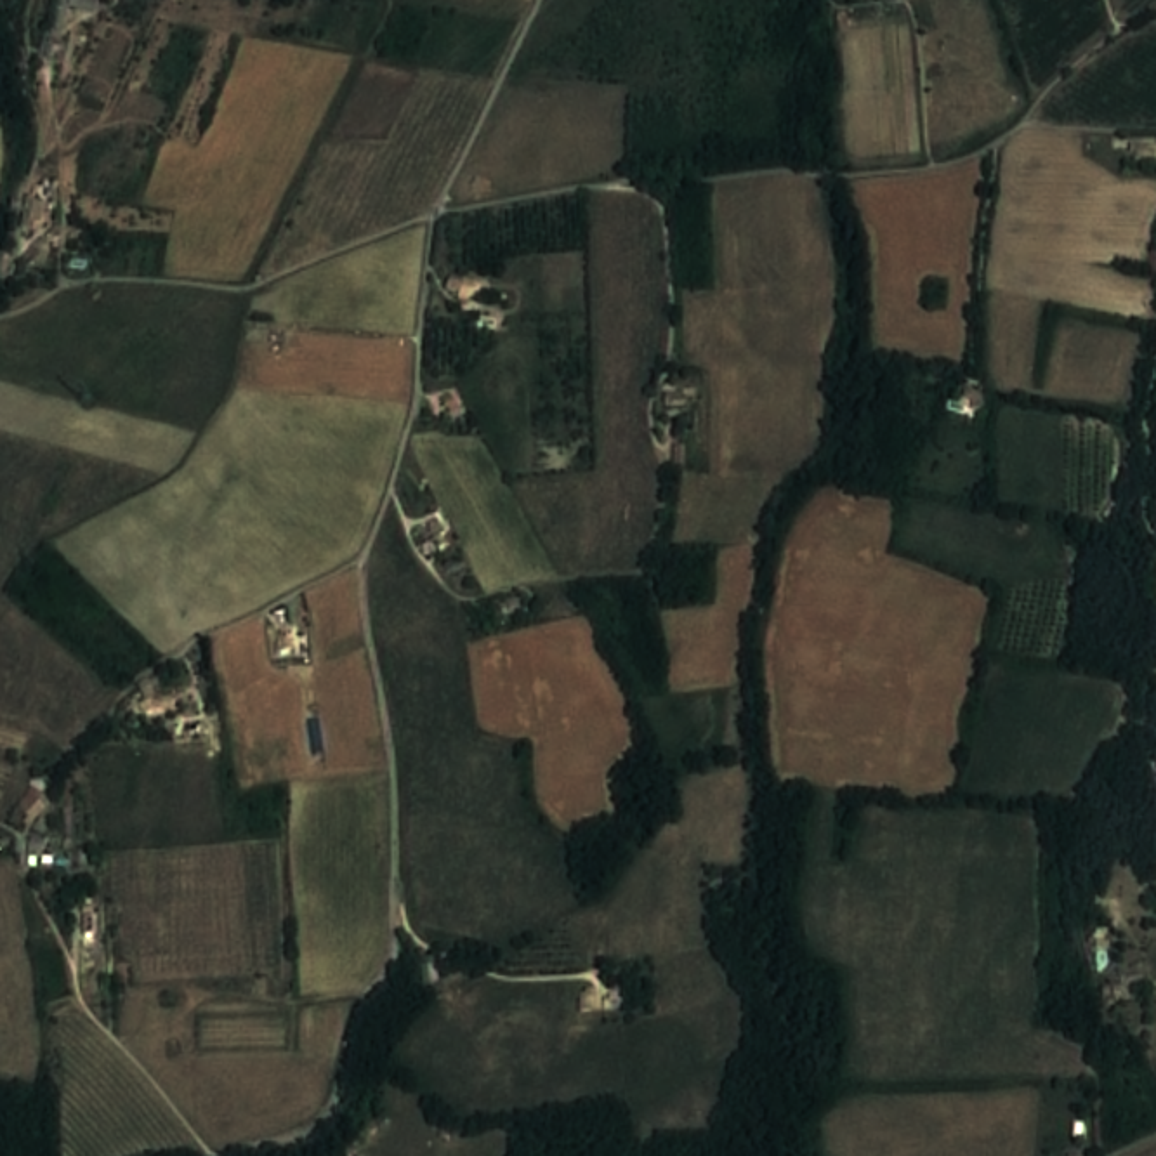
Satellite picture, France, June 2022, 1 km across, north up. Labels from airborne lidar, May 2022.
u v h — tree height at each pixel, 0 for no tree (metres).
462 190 0
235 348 0
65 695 0
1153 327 7
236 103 0
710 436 0
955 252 0
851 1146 0
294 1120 0
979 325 13
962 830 0
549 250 7
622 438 0
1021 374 0
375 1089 9
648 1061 0
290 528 0
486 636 7
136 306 0
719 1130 14
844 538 0
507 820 0
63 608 0
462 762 0
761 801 16
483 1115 12
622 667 14
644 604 11
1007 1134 0
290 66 0
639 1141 12
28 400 0
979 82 0
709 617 0
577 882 13
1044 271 0
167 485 0
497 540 0
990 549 0
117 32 0
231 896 0
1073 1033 17
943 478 0
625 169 13
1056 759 0
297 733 0
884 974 0
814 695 0
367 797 0
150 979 0
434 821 0
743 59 7
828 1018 16
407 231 0
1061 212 0
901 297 0
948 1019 0
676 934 0
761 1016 18
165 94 6
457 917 0
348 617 0
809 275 0
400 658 0
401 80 0
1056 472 0
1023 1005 0
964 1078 0
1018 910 0
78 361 0
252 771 0
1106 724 0
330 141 0
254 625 0
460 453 0
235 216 0
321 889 0
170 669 11
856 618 0
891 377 10
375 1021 20
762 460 0
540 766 0
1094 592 18
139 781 0
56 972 0
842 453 12
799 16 11
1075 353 0
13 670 0
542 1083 0
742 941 17
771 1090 17
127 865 0
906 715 0
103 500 0
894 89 0
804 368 0
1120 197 0
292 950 12
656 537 8
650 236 0
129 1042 0
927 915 0
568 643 0
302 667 0
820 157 15
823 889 0
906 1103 0
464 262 5
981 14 0
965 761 16
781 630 0
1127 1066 11
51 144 0
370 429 0
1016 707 0
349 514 0
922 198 0
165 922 0
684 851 0
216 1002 0
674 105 7
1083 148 0
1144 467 10
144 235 6
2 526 0
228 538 0
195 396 0
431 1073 0
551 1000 0
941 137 0
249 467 0
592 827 19
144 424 0
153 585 0
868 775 0
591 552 0
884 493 9
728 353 0
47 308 0
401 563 0
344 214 0
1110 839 7
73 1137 0
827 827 0
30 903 0
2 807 0
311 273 0
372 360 0
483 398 0
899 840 0
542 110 0
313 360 0
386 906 0
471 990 0
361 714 0
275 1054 0
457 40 0
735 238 0
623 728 0
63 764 12
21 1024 0
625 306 0
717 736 0
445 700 0
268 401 0
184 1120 0
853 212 16
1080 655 16
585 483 0
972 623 0
